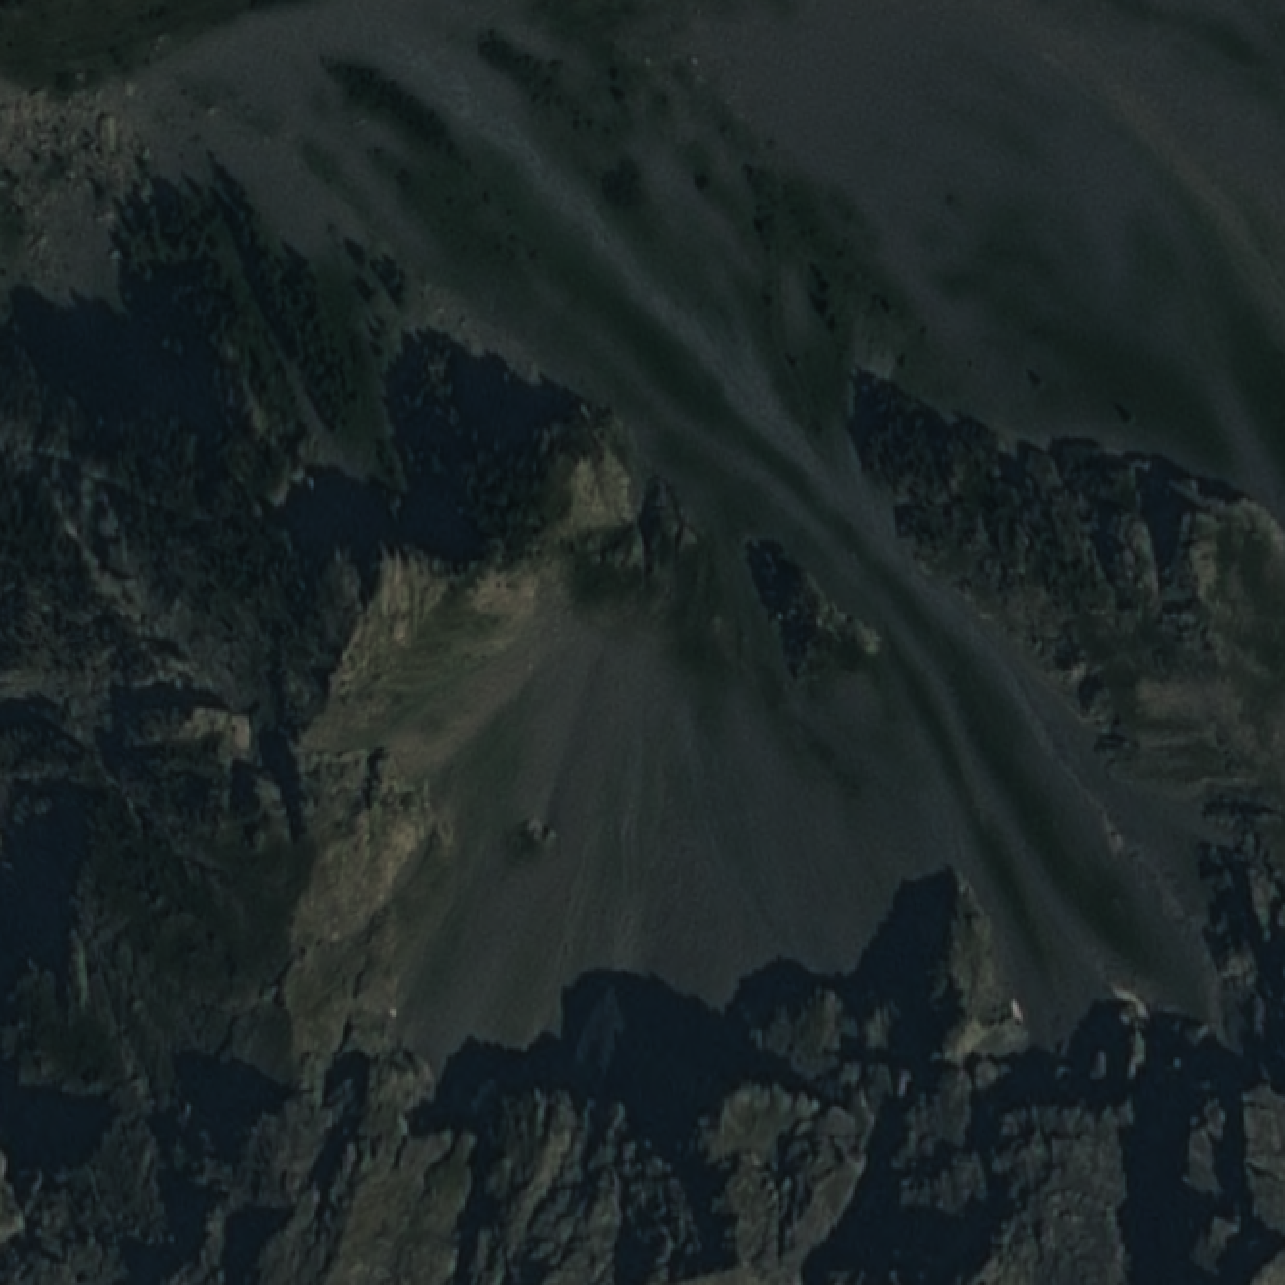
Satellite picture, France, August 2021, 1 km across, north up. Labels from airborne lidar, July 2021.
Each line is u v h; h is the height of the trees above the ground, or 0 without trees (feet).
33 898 0
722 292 0
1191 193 0
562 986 0
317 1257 0
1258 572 0
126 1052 0
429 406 33
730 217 0
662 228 0
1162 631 0
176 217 69
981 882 0
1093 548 0
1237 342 0
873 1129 0
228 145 0
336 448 0
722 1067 0
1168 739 0
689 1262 0
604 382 0
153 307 23
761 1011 0
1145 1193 0
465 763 0
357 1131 0
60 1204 0
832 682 0
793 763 0
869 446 71
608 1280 0
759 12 0
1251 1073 0
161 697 0
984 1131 0
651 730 0
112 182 0
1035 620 0
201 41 0
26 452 0
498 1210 0
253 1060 0
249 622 0
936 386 0
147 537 19
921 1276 0
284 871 0
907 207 0
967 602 0
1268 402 0
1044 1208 0
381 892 0
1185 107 0
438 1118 0
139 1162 0
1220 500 0
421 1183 0
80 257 0
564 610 0
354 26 0
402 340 0
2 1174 0
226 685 0
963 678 0
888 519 0
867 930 0
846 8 0
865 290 0
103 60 0
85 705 0
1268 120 0
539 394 0
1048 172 0
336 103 0
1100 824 0
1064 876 0
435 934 0
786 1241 0
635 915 0
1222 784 0
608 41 0
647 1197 0
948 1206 0
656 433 0
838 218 0
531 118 0
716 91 0
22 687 0
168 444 135
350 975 0
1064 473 0
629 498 0
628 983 0
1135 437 0
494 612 0
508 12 0
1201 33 0
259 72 0
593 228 0
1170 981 0
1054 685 0
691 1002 0
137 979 0
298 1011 0
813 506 0
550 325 0
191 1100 0
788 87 0
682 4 0
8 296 0
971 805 0
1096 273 0
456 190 0
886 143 0
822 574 0
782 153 0
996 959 0
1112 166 0
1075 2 0
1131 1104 0
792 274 0
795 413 0
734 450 0
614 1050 0
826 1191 0
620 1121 0
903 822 0
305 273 64
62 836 0
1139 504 0
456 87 0
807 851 0
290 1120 0
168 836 0
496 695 0
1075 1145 0
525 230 0
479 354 0
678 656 0
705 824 0
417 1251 0
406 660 0
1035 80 0
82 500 0
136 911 0
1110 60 0
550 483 30
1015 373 0
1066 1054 0
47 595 0
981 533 0
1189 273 0
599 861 0
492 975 0
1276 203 0
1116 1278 0
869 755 0
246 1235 0
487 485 46
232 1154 0
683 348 0
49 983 0
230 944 0
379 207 0
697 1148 0
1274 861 0
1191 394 0
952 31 0
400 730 0
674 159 0
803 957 0
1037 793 0
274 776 0
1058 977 0
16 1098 0
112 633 24
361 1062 0
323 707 0
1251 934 0
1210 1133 0
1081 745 0
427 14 0
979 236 0
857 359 0
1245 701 0
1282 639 0
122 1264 0
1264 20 0
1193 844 0
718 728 0
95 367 37
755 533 0
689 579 0
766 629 0
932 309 0
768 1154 0
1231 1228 0
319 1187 0
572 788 0
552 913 0
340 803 0
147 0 0
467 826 0
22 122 0
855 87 0
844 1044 0
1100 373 0
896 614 0
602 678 0
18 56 0
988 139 0
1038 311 0
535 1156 0
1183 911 0
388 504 34
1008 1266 0
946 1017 0
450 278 0
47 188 0
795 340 0
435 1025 0
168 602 0
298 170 0
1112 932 0
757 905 0
